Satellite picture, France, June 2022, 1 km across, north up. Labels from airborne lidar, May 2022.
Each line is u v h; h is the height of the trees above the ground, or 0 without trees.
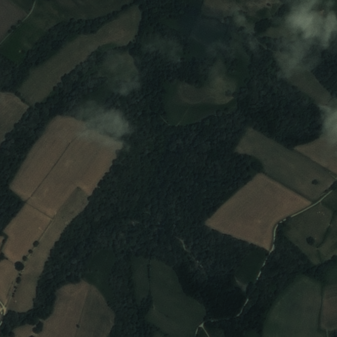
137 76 8
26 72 10
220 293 18
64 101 19
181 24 0
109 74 0
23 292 0
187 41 10
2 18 0
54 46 22
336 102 0
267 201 0
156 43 0
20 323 14
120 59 0
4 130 0
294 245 12
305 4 0
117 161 14
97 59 15
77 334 0
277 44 19
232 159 14
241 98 13
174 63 14
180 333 0
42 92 0
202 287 22
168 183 20
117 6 0
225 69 0
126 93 15
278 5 0
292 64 0
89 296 0
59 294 0
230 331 19
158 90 23
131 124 12
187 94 0
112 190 9
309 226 0
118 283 14
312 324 0
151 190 20
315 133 20
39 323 17
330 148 0
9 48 0
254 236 0
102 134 10
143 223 12
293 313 0
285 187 0
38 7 0
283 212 0
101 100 0
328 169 0
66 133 0
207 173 17
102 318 0
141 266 0
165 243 20
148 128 19
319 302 0
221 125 19
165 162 28
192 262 18
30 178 0
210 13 0
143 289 0
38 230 0
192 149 15
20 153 13
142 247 21
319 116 20
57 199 0
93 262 0
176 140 24
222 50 12
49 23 0
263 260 0
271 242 0
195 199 22
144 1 16
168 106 0
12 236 0
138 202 11
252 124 15
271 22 12
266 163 0
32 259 0
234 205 0
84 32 14
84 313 0
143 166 11
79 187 0
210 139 9
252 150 0
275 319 0
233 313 17
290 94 20
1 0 0
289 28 0
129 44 9
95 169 0
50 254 9
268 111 18
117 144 0
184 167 17
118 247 17
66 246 20
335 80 13
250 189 0
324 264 12
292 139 17
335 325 0
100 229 21
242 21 0
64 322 0
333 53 15
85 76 21
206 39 0
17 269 15
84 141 0
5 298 0
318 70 14
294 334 0
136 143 15
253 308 18
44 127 20
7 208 11
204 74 8
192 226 15
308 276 7
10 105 0
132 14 0
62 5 0
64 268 15
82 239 20
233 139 19
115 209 9
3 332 23
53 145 0
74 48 0
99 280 0
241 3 0
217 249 9
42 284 12
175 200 13
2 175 16
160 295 0
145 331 17
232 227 0
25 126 14
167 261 19
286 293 0
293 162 0
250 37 16
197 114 0
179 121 0
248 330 24
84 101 0
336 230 0
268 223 0
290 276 18
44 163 0
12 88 10
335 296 0
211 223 0
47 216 0
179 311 0
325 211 0
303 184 0
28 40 0
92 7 0
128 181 14
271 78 7
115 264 13
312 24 0
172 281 0
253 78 13
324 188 0
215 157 17
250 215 0
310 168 0
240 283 0
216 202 16
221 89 0
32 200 0
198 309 0
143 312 15
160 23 8
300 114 15
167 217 22
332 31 12
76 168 0
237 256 9
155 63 12
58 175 0
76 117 15
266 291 11
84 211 6
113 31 0
